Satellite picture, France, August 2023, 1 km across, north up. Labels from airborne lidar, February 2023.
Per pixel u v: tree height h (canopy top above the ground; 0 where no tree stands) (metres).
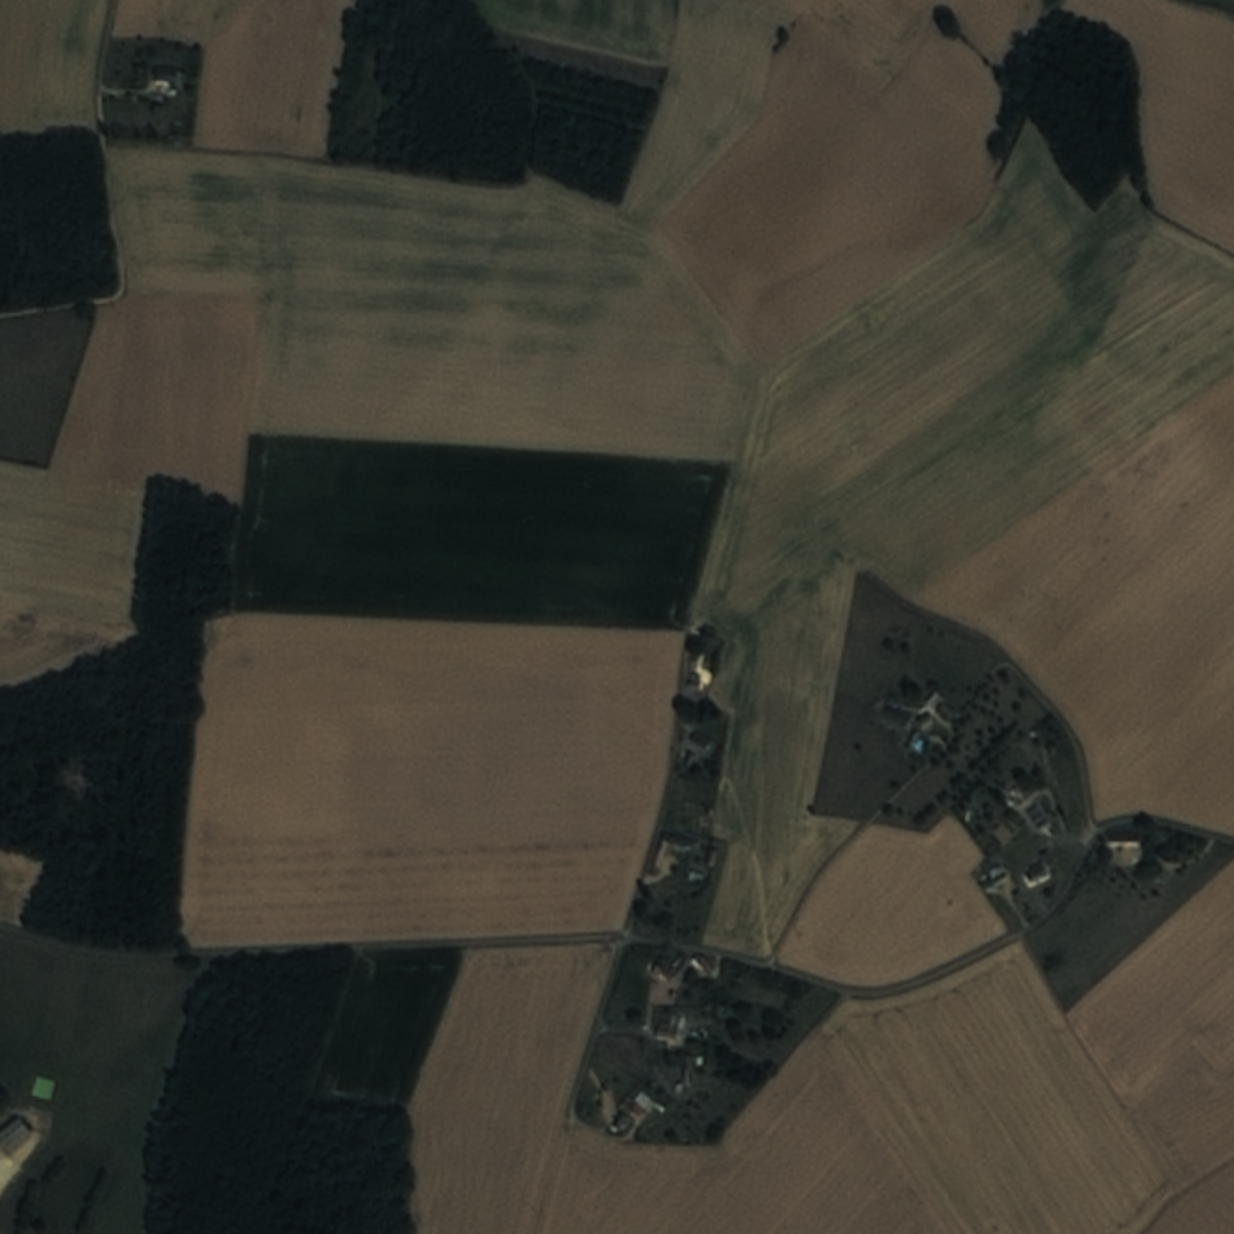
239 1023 13
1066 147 12
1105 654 0
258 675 0
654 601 0
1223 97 0
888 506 0
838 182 0
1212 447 0
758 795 0
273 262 0
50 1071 0
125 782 22
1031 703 0
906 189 0
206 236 0
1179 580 0
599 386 0
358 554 0
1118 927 0
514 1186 0
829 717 0
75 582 0
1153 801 0
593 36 0
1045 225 0
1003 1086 0
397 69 8
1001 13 0
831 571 0
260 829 0
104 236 13
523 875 0
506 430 0
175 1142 9
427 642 0
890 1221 0
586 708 0
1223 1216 0
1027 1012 0
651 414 0
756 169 0
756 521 0
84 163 18
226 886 0
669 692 0
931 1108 0
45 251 15
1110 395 0
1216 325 0
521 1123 0
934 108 0
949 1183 0
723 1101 0
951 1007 0
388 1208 16
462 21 10
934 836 0
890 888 0
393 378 0
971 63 0
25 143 12
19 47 0
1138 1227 0
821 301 0
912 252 0
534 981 0
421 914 0
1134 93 10
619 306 0
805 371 0
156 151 0
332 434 0
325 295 0
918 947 0
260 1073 12
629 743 0
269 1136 15
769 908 0
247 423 0
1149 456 0
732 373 0
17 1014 0
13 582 0
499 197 0
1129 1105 0
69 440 0
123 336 0
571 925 0
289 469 0
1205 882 0
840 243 0
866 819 0
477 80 10
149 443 0
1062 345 0
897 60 0
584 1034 0
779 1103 0
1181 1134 0
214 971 6
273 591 0
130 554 0
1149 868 9
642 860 0
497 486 0
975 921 0
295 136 0
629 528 0
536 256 0
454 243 0
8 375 0
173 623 16
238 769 0
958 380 0
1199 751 0
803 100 0
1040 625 0
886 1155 0
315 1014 11
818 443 0
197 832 0
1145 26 0
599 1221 0
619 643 0
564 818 0
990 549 0
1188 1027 0
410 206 0
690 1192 0
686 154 0
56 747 14
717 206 0
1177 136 0
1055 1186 0
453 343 0
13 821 13
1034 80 12
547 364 0
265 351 0
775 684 0
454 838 0
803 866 0
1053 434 0
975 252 0
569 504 0
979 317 0
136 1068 0
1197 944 0
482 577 0
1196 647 0
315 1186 16
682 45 0
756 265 0
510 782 0
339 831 0
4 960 0
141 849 14
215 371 0
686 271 0
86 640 0
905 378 0
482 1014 0
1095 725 0
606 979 0
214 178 0
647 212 0
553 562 0
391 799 0
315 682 0
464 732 0
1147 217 0
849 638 0
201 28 0
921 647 0
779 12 0
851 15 0
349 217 0
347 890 0
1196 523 0
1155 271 0
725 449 0
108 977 0
